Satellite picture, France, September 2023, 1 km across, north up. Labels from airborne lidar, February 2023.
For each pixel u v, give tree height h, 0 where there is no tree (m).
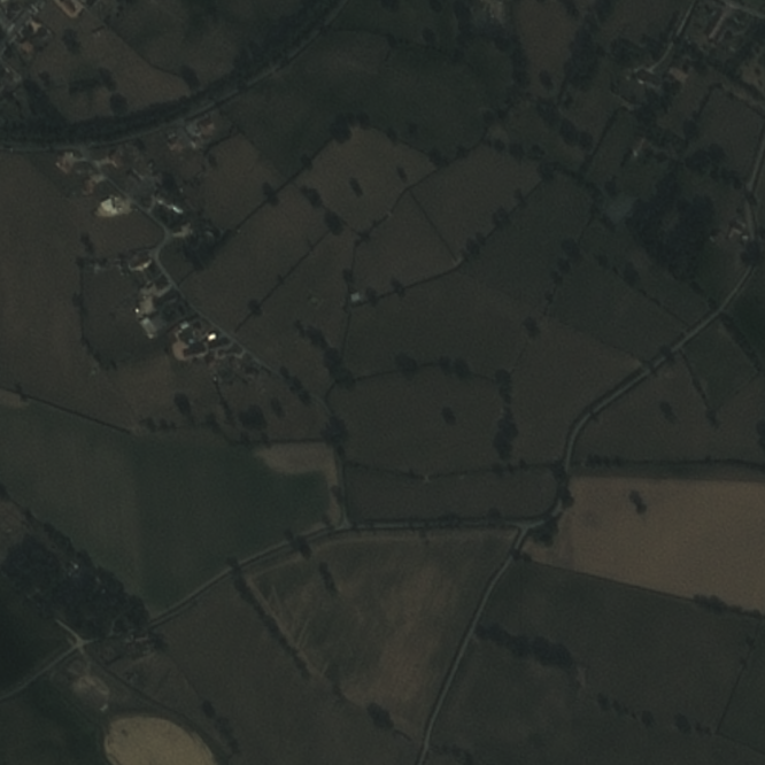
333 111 0
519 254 0
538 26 0
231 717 0
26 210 0
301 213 0
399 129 0
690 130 17
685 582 0
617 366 0
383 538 0
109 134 10
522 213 0
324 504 0
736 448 0
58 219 0
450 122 0
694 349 0
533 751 0
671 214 0
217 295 0
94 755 0
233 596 0
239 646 0
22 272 0
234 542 0
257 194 0
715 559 0
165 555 0
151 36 0
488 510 0
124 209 0
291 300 0
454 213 0
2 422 0
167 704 0
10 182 0
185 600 0
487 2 0
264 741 0
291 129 0
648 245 18
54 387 0
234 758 0
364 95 0
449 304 0
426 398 0
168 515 0
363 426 0
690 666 0
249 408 0
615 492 0
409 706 0
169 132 0
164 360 0
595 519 0
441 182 0
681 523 0
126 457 0
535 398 0
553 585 0
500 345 0
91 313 0
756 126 0
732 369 0
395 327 0
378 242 0
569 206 0
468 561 0
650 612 0
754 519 0
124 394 0
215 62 0
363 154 0
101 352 0
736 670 0
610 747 0
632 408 0
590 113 0
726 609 10
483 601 0
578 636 0
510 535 0
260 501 0
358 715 0
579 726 0
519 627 0
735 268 0
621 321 0
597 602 0
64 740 0
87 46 0
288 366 0
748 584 0
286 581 0
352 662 0
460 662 0
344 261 0
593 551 0
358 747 0
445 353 0
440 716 0
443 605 0
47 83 15
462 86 0
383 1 18
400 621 0
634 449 0
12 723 0
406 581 0
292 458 0
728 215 0
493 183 0
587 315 0
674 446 0
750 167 0
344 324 0
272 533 0
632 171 0
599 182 0
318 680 0
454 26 0
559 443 0
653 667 0
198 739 0
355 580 0
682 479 0
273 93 0
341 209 0
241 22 0
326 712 0
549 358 0
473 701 0
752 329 0
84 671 0
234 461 0
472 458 0
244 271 0
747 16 0
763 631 0
